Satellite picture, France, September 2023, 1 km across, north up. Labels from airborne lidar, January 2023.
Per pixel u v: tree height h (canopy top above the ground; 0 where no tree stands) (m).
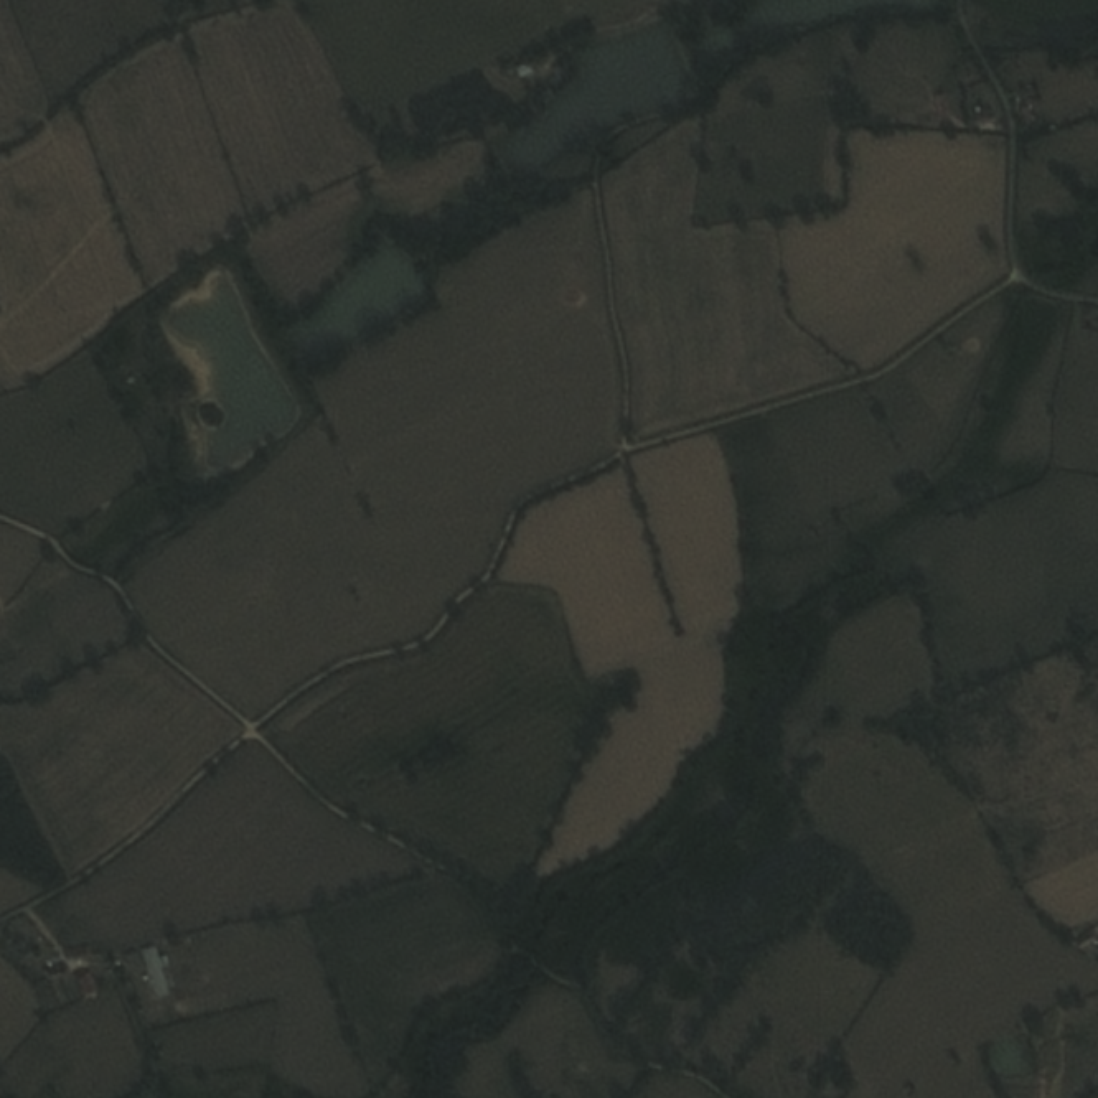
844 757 0
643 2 0
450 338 0
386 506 0
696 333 0
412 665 0
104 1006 0
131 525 0
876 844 0
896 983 0
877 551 0
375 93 0
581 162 0
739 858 0
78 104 14
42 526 0
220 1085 0
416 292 0
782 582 0
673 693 0
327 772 0
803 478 0
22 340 0
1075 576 0
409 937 0
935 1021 0
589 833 0
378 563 0
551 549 0
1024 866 0
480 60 0
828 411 0
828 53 0
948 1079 0
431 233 19
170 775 0
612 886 0
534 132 0
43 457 0
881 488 0
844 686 0
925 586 12
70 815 0
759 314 0
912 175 0
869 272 0
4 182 0
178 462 9
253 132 0
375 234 15
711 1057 8
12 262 0
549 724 0
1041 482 0
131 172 0
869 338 0
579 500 0
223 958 0
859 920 19
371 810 0
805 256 0
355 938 0
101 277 0
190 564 0
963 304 0
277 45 0
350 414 0
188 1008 0
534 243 0
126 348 0
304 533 0
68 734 0
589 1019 0
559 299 0
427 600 0
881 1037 0
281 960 0
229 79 0
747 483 0
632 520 0
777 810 0
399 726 0
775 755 10
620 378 0
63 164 0
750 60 10
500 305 0
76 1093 0
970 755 0
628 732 0
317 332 0
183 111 0
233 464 0
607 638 0
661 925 0
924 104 0
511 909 21
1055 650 8
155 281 0
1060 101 0
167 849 0
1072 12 0
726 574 0
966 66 0
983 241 15
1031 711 0
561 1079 0
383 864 0
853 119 15
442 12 0
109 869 0
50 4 0
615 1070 0
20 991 0
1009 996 0
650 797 0
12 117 0
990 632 0
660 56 0
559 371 0
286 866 0
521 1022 0
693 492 0
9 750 0
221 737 0
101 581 9
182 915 0
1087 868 0
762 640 0
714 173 0
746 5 14
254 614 0
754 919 23
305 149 0
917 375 0
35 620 0
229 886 0
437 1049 8
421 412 0
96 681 0
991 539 0
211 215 0
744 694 0
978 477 0
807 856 16
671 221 0
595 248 0
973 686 11
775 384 0
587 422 0
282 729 0
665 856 0
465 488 0
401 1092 0
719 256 0
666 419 0
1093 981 0
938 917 0
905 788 0
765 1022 9
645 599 0
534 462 0
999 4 0
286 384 0
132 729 0
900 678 0
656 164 0
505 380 0
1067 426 0
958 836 0
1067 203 0
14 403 0
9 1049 0
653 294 0
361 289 0
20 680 0
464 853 0
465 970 0
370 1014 0
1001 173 0
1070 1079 0
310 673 0
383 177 0
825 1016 0
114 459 0
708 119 10
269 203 0
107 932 0
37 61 0
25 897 0
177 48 0
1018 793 0
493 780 0
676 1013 0
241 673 0
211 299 0
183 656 0
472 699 0
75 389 0
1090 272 0
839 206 10
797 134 0
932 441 0
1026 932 0
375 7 0
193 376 0
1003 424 0
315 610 0
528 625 0
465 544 0
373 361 0
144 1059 10
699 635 0
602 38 0
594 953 0
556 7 0
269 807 0
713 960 21
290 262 0
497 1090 0
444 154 0
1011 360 0
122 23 0
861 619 0
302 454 0
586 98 0
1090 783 0
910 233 0
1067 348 0
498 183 18
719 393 0
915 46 0
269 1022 0
